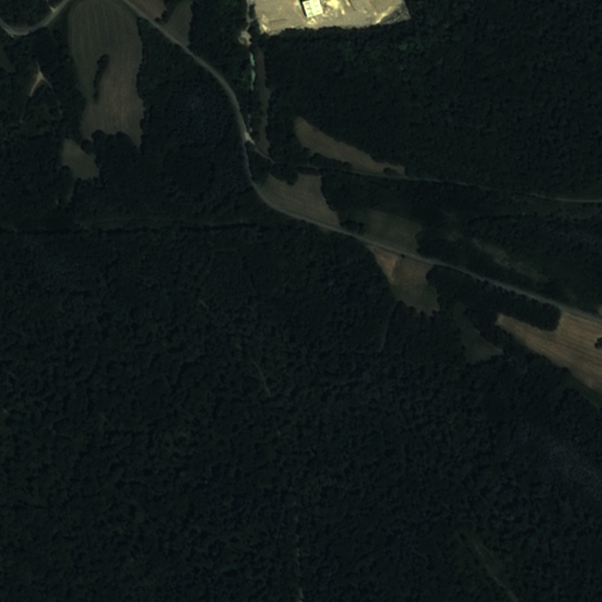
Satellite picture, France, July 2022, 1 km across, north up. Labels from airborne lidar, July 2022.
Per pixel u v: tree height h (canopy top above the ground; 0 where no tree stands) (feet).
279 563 67
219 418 71
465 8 77
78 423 71
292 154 54
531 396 79
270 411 57
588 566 79
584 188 56
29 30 0
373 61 70
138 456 93
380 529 82
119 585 73
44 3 18
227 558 81
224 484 68
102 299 76
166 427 69
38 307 77
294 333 23
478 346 0
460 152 54
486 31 66
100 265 41
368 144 67
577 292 23
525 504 66
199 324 62
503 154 69
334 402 68
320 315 81
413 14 40
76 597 81
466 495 83
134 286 71
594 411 71
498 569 0
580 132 51
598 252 37
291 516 59
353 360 71
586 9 44
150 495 90
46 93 49
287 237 53
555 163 64
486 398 32
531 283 23
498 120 50
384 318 33
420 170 43
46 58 54
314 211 0
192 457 62
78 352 68
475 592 72
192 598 71
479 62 72
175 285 63
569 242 41
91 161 0
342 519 60
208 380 76
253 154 49
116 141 59
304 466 72
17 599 63
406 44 61
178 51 66
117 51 0
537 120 56
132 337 48
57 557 68
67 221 23
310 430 86
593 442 72
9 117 44
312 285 77
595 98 69
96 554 69
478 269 35
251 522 68
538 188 54
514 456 42
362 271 65
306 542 61
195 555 83
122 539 77
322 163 42
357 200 66
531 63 63
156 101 57
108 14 0
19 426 89
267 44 26
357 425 59
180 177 51
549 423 62
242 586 81
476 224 58
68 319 69
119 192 57
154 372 83
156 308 72
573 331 0
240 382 73
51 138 62
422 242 31
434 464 32
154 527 79
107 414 66
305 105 66
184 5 0
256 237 70
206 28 72
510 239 64
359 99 77
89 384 79
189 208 73
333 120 77
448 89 62
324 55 59
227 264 44
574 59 60
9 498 68
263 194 0
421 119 67
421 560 67
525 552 74
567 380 62
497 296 58
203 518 100
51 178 66
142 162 64
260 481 80
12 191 94
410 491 65
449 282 65
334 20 0
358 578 69
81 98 55
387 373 20
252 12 19
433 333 55
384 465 85
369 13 0
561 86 64
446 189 50
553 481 51
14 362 95
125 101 0
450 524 65
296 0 0
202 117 68
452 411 84
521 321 49
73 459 59
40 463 84
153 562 78
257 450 64
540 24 62
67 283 68
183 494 84
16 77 34
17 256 74
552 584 24
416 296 0
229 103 46
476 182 56
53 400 81
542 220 38
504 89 67
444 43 75
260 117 47
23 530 65
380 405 73
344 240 51
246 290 27
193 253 64
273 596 78
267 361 72
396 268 0
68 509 70
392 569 64
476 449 61
